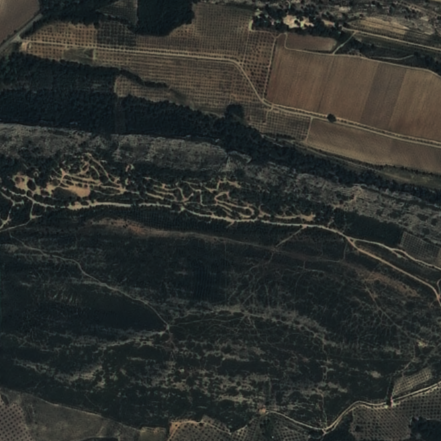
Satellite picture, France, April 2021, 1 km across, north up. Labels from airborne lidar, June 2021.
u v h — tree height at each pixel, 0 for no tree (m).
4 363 0
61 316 0
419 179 0
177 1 9
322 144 0
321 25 17
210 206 6
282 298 0
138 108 7
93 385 0
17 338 0
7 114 6
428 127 0
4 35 0
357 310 0
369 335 0
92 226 0
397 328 0
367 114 0
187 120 8
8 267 6
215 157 0
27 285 0
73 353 0
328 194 0
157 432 0
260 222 8
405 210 0
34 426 0
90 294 0
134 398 0
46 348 0
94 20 8
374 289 0
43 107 18
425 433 11
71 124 7
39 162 12
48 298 0
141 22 11
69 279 0
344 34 13
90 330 0
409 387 0
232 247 0
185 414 0
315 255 0
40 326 0
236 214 8
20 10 0
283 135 7
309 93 0
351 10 0
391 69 0
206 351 0
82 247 0
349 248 0
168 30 9
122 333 0
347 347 0
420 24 0
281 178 6
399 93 0
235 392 0
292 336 0
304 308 0
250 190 8
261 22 17
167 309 0
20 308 0
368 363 0
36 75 8
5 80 8
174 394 0
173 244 0
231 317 0
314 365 0
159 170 6
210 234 0
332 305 0
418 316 0
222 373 0
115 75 11
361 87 0
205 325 0
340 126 0
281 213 9
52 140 0
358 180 12
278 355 0
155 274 0
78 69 8
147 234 0
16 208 8
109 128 6
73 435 0
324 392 0
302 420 0
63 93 10
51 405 0
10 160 13
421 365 0
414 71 0
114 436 0
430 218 0
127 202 7
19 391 0
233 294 0
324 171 10
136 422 0
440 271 0
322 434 6
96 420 0
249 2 0
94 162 9
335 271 0
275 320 0
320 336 0
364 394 0
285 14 16
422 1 0
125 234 0
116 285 0
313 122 0
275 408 0
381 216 0
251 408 0
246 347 0
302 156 16
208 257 0
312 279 0
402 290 0
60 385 0
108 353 0
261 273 0
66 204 10
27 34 7
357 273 0
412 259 0
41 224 8
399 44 0
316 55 0
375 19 0
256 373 0
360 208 0
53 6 14
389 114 0
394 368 0
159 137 6
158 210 7
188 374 0
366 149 0
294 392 0
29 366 0
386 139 0
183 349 0
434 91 0
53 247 0
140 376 0
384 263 0
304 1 7
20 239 0
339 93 0
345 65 0
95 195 13
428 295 0
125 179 8
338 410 0
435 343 0
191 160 0
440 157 0
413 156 0
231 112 17
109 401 0
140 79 8
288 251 0
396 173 0
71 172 9
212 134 7
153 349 0
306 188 9
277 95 0
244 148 10
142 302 0
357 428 7
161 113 8
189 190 6
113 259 0
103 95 10
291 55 0
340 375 0
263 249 0
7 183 13
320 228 5
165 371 0
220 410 0
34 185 12
